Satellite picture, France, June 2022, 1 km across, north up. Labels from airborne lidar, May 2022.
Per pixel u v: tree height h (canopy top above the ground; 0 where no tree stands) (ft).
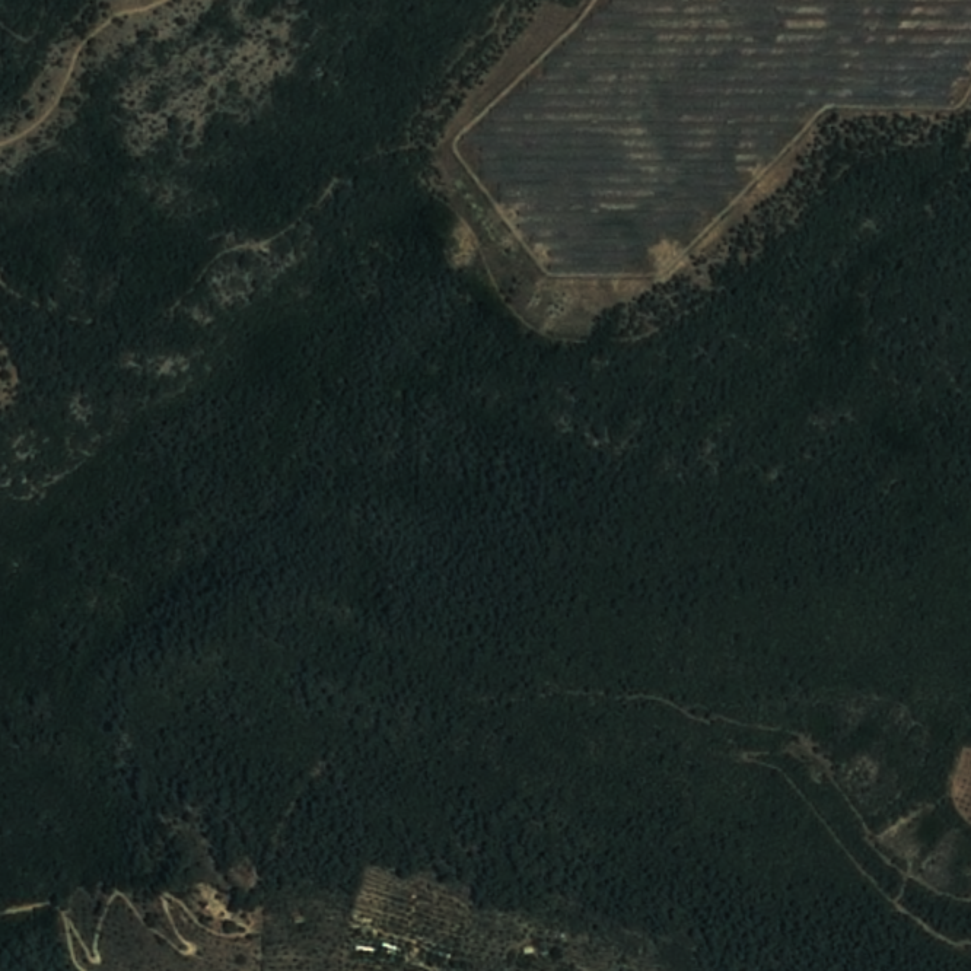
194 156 24
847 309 35
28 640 35
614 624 24
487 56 19
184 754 29
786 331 22
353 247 28
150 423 33
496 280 0
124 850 29
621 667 20
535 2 25
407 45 26
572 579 44
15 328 26
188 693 21
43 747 31
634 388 18
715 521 47
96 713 35
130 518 61
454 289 52
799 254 38
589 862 57
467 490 37
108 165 20
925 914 32
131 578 32
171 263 30
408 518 48
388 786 47
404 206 19
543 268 0
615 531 41
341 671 30
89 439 20
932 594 22
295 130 19
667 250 0
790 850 19
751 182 0
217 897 23
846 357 26
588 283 0
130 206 25
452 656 46
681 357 26
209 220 27
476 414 37
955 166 26
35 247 24
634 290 0
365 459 39
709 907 25
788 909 25
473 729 20
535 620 49
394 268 47
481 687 37
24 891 23
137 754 21
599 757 19
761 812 21
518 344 31
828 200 21
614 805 22
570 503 27
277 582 62
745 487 22
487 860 49
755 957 58
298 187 46
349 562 64
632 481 44
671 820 33
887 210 23
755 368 23
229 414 32
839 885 22
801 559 20
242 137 26
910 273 25
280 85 18
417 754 19
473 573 45
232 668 54
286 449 45
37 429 49
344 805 56
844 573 19
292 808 28
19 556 38
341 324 35
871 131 28
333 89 21
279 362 30
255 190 34
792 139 0
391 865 60
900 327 24
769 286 25
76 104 24
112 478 35
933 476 24
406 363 61
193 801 80
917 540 38
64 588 30
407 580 55
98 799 48
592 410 18
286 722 24
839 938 47
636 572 26
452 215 0
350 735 20
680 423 26
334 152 26
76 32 23
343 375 41
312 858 64
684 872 46
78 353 47
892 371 25
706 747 17
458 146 0
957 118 34
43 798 28
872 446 26
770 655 29
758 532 40
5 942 47
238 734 34
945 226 31
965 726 24
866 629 19
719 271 32
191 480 60
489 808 25
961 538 21
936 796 24
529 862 46
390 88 19
